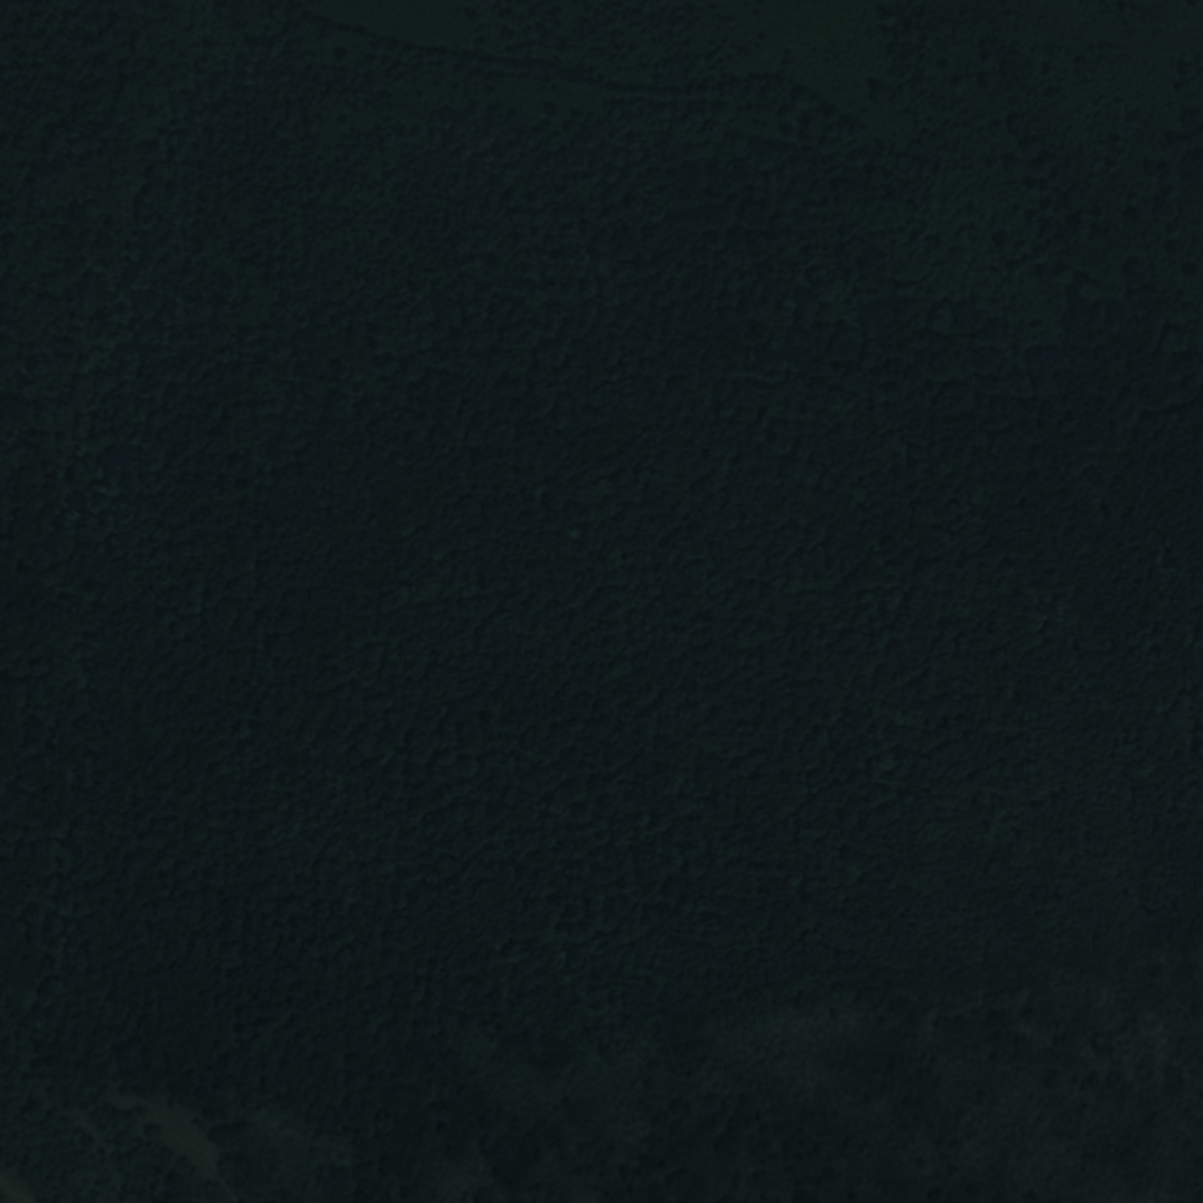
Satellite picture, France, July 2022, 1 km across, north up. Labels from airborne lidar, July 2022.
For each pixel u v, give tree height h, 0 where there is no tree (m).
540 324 21
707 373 22
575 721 25
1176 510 30
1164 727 27
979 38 8
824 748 24
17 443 21
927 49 10
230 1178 9
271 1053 20
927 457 29
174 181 14
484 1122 13
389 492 32
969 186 13
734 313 32
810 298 35
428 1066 13
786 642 25
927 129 11
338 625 28
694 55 8
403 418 31
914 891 27
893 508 32
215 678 22
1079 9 6
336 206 7
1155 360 34
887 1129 10
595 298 14
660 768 24
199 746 22
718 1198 7
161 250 16
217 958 17
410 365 24
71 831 7
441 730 27
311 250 10
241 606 21
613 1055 11
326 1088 18
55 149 16
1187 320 11
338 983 17
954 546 28
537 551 24
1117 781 27
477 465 22
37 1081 8
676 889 20
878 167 23
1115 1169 9
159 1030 25
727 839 20
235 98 9
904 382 19
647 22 9
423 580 28
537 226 20
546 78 11
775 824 26
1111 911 25
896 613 17
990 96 9
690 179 26
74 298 26
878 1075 12
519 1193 14
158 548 22
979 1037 9
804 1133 13
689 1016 26
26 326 25
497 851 18
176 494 23
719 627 24
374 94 11
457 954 21
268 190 8
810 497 28
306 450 30
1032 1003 8
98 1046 17
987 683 23
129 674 25
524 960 24
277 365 11
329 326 24
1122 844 26
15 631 29
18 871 23
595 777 24
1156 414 31
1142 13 6
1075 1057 21
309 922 12
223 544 20
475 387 31
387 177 10
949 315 19
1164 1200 7
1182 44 7
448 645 20
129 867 26
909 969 23
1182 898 26
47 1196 8
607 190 21
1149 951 18
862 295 14
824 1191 10
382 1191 25
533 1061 11
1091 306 29
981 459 31
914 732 27
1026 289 13
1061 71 7
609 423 31
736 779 27
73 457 19
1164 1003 11
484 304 24
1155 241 8
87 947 24
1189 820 27
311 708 23
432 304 8
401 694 20
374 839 10
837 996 11
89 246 24
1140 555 32
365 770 22
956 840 29
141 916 24
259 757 22
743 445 24
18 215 16
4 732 28
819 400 31
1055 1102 9
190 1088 25
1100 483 32
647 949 24
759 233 25
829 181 13
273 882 15
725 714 23
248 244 7
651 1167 13
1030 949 24
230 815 17
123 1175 7
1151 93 7
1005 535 33
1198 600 30
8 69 15
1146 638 33
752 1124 18
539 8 12
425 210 8
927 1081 23
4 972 20
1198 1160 15
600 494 21
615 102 6
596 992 12
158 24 12
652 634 17
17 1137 15
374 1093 18
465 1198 10
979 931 26
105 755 26
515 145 21
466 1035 6
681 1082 7
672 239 25
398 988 17
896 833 25
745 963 22
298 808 18
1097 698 34
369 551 32
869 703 18
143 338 19
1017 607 25
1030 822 26
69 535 30
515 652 30
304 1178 7
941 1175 10
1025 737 22
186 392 20
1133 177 9
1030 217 16
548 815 23
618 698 17
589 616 22
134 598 24
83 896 24
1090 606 29
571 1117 11
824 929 21
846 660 27
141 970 27
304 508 34
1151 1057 10
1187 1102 7
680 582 21
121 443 12
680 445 24
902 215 13
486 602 24
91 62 17
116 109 21
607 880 17
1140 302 28
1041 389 22
